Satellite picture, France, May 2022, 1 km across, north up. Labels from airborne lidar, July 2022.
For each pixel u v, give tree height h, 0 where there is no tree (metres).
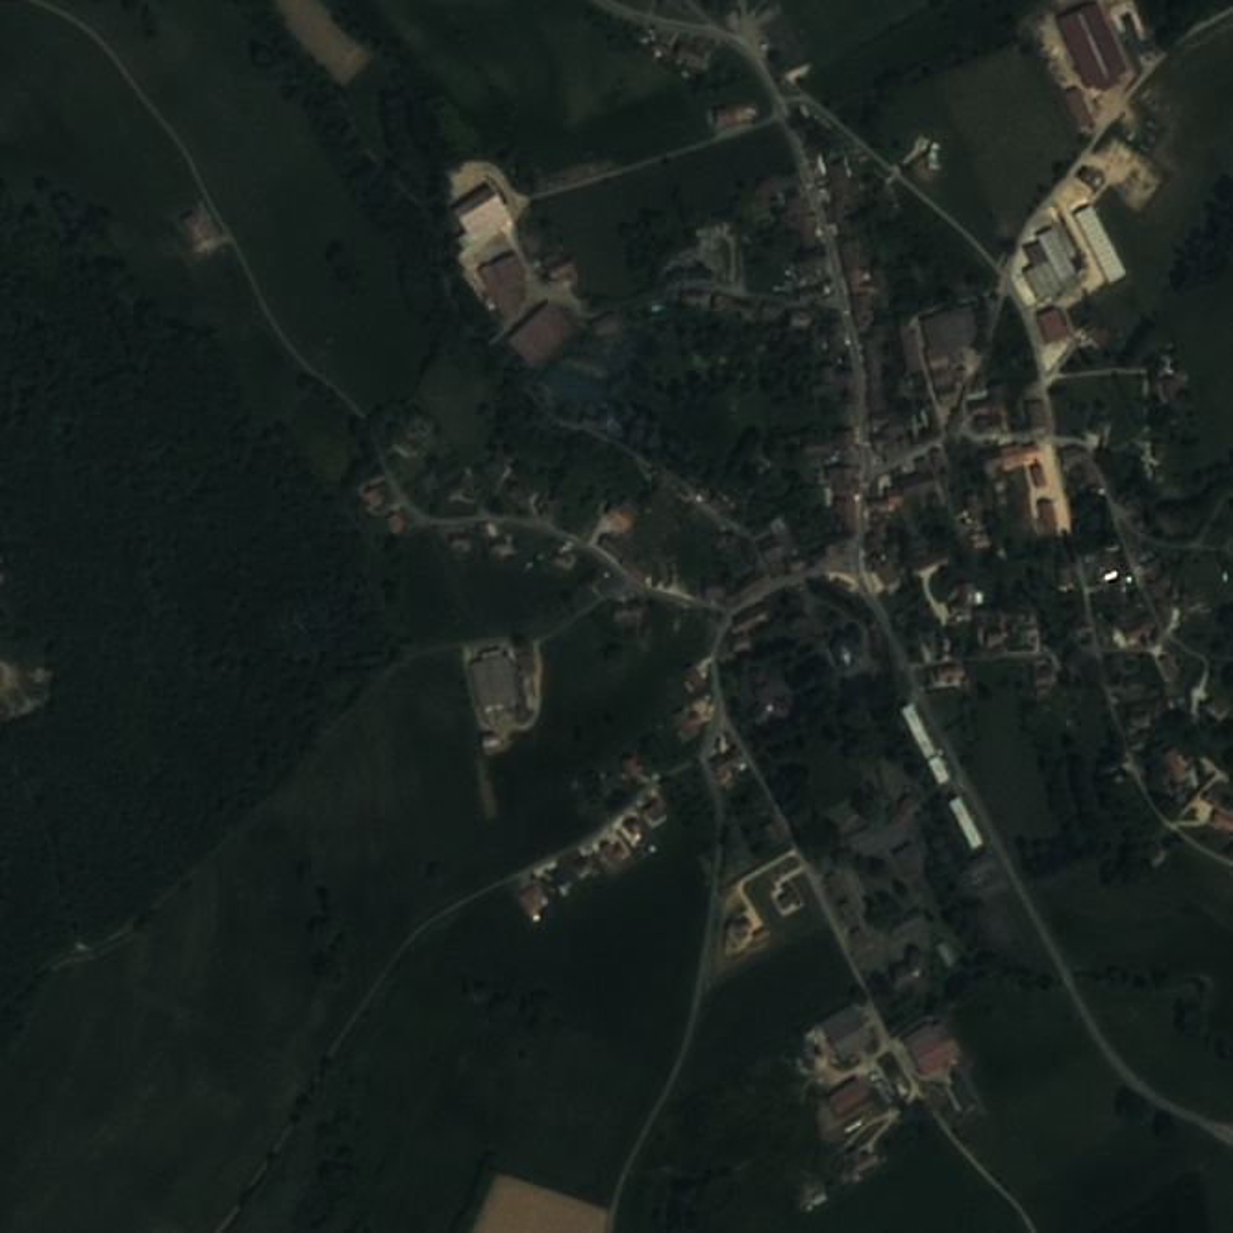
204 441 24
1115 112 0
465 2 0
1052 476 0
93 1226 0
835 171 0
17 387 13
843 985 0
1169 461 0
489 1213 0
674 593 0
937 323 0
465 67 0
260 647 17
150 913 13
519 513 5
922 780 11
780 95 0
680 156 0
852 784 0
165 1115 0
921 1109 14
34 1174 0
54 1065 0
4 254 16
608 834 0
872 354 0
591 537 0
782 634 0
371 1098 0
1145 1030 0
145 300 19
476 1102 0
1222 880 0
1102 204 0
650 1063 0
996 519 9
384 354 0
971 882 0
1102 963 0
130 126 0
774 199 6
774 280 0
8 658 0
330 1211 15
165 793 20
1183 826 0
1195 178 0
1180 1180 0
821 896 0
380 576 0
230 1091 0
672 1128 0
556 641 0
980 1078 0
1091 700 0
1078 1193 0
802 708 20
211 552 23
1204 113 0
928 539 11
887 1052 0
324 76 17
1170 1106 0
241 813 16
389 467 8
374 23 0
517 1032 0
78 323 8
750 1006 0
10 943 14
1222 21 0
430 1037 0
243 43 0
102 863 19
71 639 18
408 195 8
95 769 16
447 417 0
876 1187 0
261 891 0
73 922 13
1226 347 0
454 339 17
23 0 0
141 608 20
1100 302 0
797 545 9
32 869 15
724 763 0
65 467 21
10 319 15
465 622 0
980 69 0
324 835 0
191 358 21
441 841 0
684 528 0
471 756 0
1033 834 0
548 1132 0
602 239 0
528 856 0
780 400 21
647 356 22
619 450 8
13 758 13
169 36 0
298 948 0
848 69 0
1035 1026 0
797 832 20
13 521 16
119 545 18
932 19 0
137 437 21
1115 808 18
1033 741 13
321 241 0
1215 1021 0
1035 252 0
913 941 0
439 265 14
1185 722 18
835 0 0
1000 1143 0
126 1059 0
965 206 0
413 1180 0
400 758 0
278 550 22
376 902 0
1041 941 0
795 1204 0
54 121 0
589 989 0
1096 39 0
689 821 7
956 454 10
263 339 0
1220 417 0
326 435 0
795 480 12
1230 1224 0
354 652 7
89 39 0
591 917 0
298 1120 12
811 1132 0
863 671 0
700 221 9
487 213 0
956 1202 0
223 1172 0
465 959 0
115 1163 0
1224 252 17
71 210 22
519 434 22
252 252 0
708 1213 0
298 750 8
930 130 0
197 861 14
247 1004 0
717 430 0
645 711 0
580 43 0
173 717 21
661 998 0
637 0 0
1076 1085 0
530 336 0
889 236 14
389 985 0
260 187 0
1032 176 0
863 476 0
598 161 0
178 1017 0
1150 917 0
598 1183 0
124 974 0
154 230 0
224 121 0
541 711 0
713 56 0
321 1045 0
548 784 0
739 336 6
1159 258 0
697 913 0
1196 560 7
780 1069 0
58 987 0
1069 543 14
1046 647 9
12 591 15
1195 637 7
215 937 0
